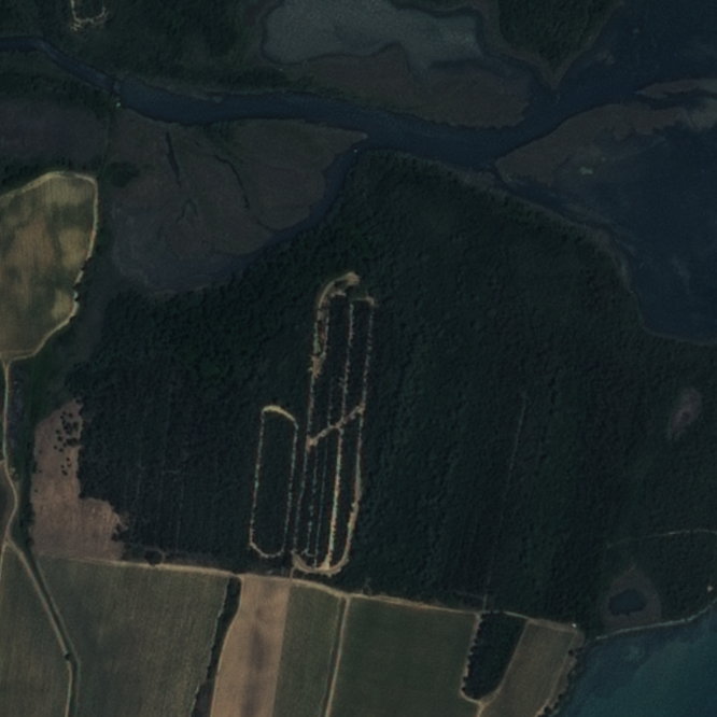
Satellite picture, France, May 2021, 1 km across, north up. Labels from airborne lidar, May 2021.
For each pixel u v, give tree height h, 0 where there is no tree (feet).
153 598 0
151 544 26
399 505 21
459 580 41
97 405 57
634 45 0
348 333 31
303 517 25
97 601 0
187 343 89
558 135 0
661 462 17
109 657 0
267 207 0
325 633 0
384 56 0
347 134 0
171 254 0
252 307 60
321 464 28
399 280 31
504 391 47
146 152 0
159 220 0
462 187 51
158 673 0
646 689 0
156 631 0
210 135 20
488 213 51
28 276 0
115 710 0
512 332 50
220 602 0
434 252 24
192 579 0
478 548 47
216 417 24
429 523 21
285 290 63
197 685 0
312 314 31
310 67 0
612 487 29
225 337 67
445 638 0
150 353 48
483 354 26
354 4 0
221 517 38
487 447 48
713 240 0
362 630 0
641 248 0
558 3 22
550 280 31
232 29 29
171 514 26
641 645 0
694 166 0
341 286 39
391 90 0
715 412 47
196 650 0
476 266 43
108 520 0
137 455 21
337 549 20
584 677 0
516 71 0
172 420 47
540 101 0
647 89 0
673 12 0
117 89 0
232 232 0
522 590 24
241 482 46
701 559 25
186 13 36
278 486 46
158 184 0
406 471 31
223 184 0
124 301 31
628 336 45
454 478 23
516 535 19
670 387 24
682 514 36
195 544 27
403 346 32
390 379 29
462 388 32
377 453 20
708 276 0
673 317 0
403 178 25
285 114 0
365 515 50
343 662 0
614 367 62
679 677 0
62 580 0
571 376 23
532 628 0
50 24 29
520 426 20
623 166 0
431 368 27
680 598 45
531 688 0
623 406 66
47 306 0
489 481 26
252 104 0
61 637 0
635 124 0
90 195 0
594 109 0
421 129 0
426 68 0
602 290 90
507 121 0
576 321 38
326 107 0
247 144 0
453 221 20
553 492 19
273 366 40
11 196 0
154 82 0
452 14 0
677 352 27
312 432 26
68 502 0
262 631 0
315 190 0
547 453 18
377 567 24
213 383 26
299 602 0
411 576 19
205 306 39
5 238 0
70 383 30
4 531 0
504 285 18
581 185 0
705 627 0
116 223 0
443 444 27
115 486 32
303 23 0
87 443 18
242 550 38
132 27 20
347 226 43
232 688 0
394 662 0
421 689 0
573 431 27
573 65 0
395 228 31
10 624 0
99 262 18
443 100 0
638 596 0
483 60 0
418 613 0
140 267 0
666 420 32
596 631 27
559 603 39
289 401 23
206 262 0
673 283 0
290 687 0
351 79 0
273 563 47
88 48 26
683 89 0
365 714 0
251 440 63
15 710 0
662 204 0
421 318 38
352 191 32
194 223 0
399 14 0
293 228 0
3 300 0
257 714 0
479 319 22
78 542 0
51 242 0
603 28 0
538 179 0
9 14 40
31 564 0
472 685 47
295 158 0
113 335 37
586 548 34
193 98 0
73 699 0
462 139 0
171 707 0
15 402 0
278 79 23
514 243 30
